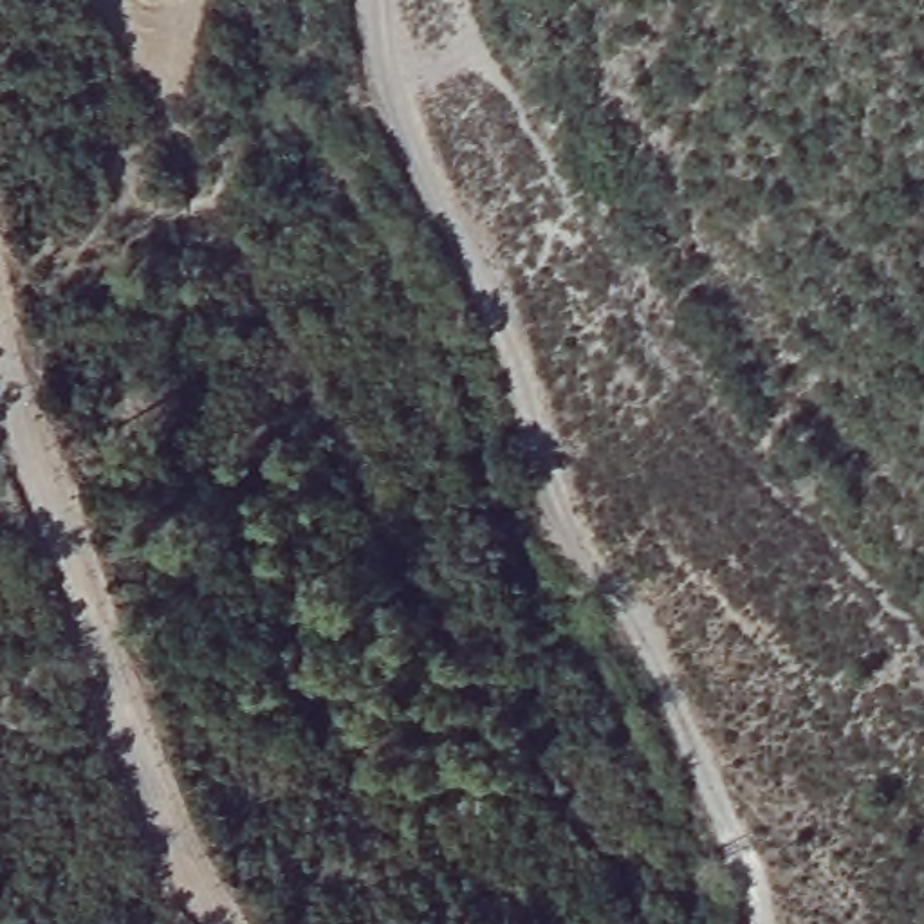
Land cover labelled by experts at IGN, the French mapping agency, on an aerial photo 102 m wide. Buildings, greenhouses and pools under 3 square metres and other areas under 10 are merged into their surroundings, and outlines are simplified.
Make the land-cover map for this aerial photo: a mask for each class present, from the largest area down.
<instances>
[{"label":"brushwood","instance_id":"1","mask_svg":"<svg viewBox=\"0 0 924 924\"><path fill-rule=\"evenodd\" d=\"M480 36L491 58L498 61L502 76L487 83L476 72H462L437 83V94L422 97V119L451 188L476 202H494L498 209L494 253L487 256V267H502L509 274L523 310V332L534 350V368L545 383L556 415V430L541 433L531 422H520L513 408L509 372L494 347V332L505 328V307L498 303V296L480 292L473 285L469 263L451 224L422 202L411 180L404 144L372 105L357 0H206L202 25L195 36V61L188 69L184 90L162 94L159 79L134 61V36L126 29L123 0H0V217L7 224V282L18 303L22 332L29 339L47 343L43 386L36 390V404L54 422L72 408V393L112 408L119 404V419L137 415L152 401H162L170 390L162 365L166 332L184 303L199 307L202 332L217 336L220 357H235L238 339H249L263 321H271L274 336L289 343V325H300V314L310 310L318 321L332 318L336 310L321 296L307 292L314 238H328L332 220H350L357 213L386 242L390 278H397L404 296L419 303V339L448 347V365L440 368L430 354L415 357L419 408L444 433L448 451H462L466 484H487V494L494 498L487 509L469 505V520L487 523V541L502 556V603L516 621L520 639H541L549 628L559 635L545 650L531 646V653H520L516 668H545V675H559L563 668L581 671L588 682L585 722L610 718L614 725L606 733V747L559 744L556 704H541L534 689H520L513 697V704L494 718V729L502 736L509 729L520 733L523 776L502 780L505 794H484V812L458 816V805H451L426 816L440 852L455 859L462 873H476L484 881L466 895L462 906H448V924H751V873L744 863H733L725 855V845L715 837V827L697 794L693 762L679 754L675 733L664 715V704L686 697L700 715V733L715 744L722 758V780L729 787L733 809L740 823L751 830L754 852L769 870L780 924H924V0H469ZM552 469L574 473V509L588 520L599 549L606 552V570L599 578L581 574L578 563L567 559L559 545L549 541V534L541 531L538 494L549 484ZM628 603L653 610V621L668 639L671 661L679 664L675 675L653 679L632 650V642L624 639L617 614L628 610ZM22 523H14L11 513L0 505V924H227L224 910L195 913L188 892L173 888V877L148 884V873L141 870L134 852V827L119 816L116 783L108 780L97 758V740L83 736L79 729L83 679L79 668L69 661L65 642L58 639L61 617L47 610L40 588H29L22 581Z\"/></svg>","mask_w":924,"mask_h":924},{"label":"deciduous trees","instance_id":"2","mask_svg":"<svg viewBox=\"0 0 924 924\"><path fill-rule=\"evenodd\" d=\"M307 292L321 296L336 310L332 318L318 321L310 310L300 314V325H289V343L274 336L271 321H263L249 339H238L235 357H220L217 336L202 332L199 307L184 303L166 332L162 365L170 390L162 401H152L137 415L119 419V404L112 408L72 393V408L54 422L61 458L69 466L72 484L79 487L83 513L94 523V549L101 556L108 592L119 614V642L126 646L134 668L144 671V679L152 682L148 707L162 729V751L173 765V776L184 790L188 812L206 841V852L217 863L224 884L235 888L249 924H448V906H462L466 895L484 881L476 873H462L455 859L440 852L426 816L451 805H458V816L484 812V794H505L502 780L523 776L520 733L509 729L502 736L494 729V718L513 704V697L520 689H534L541 704H556L559 744L606 747V733L614 725L610 718L585 722L588 682L581 671L563 668L559 675H545V668H516L520 653H531V646L545 650L559 635L549 628L541 639H520L516 621L502 603V556L487 541V523L469 520V505L487 509L494 498L487 494V484H466L462 451H448L444 433L419 408L415 357L430 354L440 368L448 365V347L419 339V303L404 296L397 278H390L386 242L357 213L350 220H332L328 238H314Z\"/></svg>","mask_w":924,"mask_h":924},{"label":"pervious surface","instance_id":"3","mask_svg":"<svg viewBox=\"0 0 924 924\"><path fill-rule=\"evenodd\" d=\"M206 0H123L126 29L134 36V61L159 79L162 94L184 90L188 69L195 61V36L202 25ZM372 105L404 144L411 180L422 202L451 224L469 263L473 285L480 292L498 296V303L505 307V328L494 332V347L509 372L513 408L520 422H531L541 433L556 430V415L545 383L534 368V350L523 332V310L509 274L502 267H487V256L494 253L498 209L494 202H476L451 188L422 119V97L437 94V83L462 72H476L487 83L502 76L498 61L491 58L480 36L469 0H357ZM7 224L0 217V505L11 513L14 523H22V581L29 588H40L47 610L61 617L58 639L65 642L69 661L79 668L83 679L79 729L83 736L97 740V758L108 780L116 783L119 816L134 827V852L141 870L148 873V884L173 877V888L188 892L195 913L224 910L227 924H249L235 888L224 884L217 863L206 852V841L188 812L184 790L173 776V765L162 751V729L148 707L152 682L144 679V671L134 668L126 646L119 642V614L108 592L101 556L94 549V523L83 513L79 487L72 484L69 466L61 458L54 422L36 404V390L43 386L47 343L29 339L22 332L18 303L7 282ZM574 473L552 469L549 484L538 494L541 531L549 534V541L559 545L567 559L578 563L581 574L599 578L606 570V552L599 549L588 520L574 509ZM624 639L632 642V650L653 679L675 675L679 664L671 661L668 639L653 621V610L628 603V610L617 614ZM664 715L675 733L679 754L693 762L697 794L715 827V837L725 845V855L733 863H744L751 873V924H780L769 870L754 852L751 830L740 823L733 809L729 787L722 780V758L715 744L700 733V715L686 697L664 704Z\"/></svg>","mask_w":924,"mask_h":924}]
</instances>
